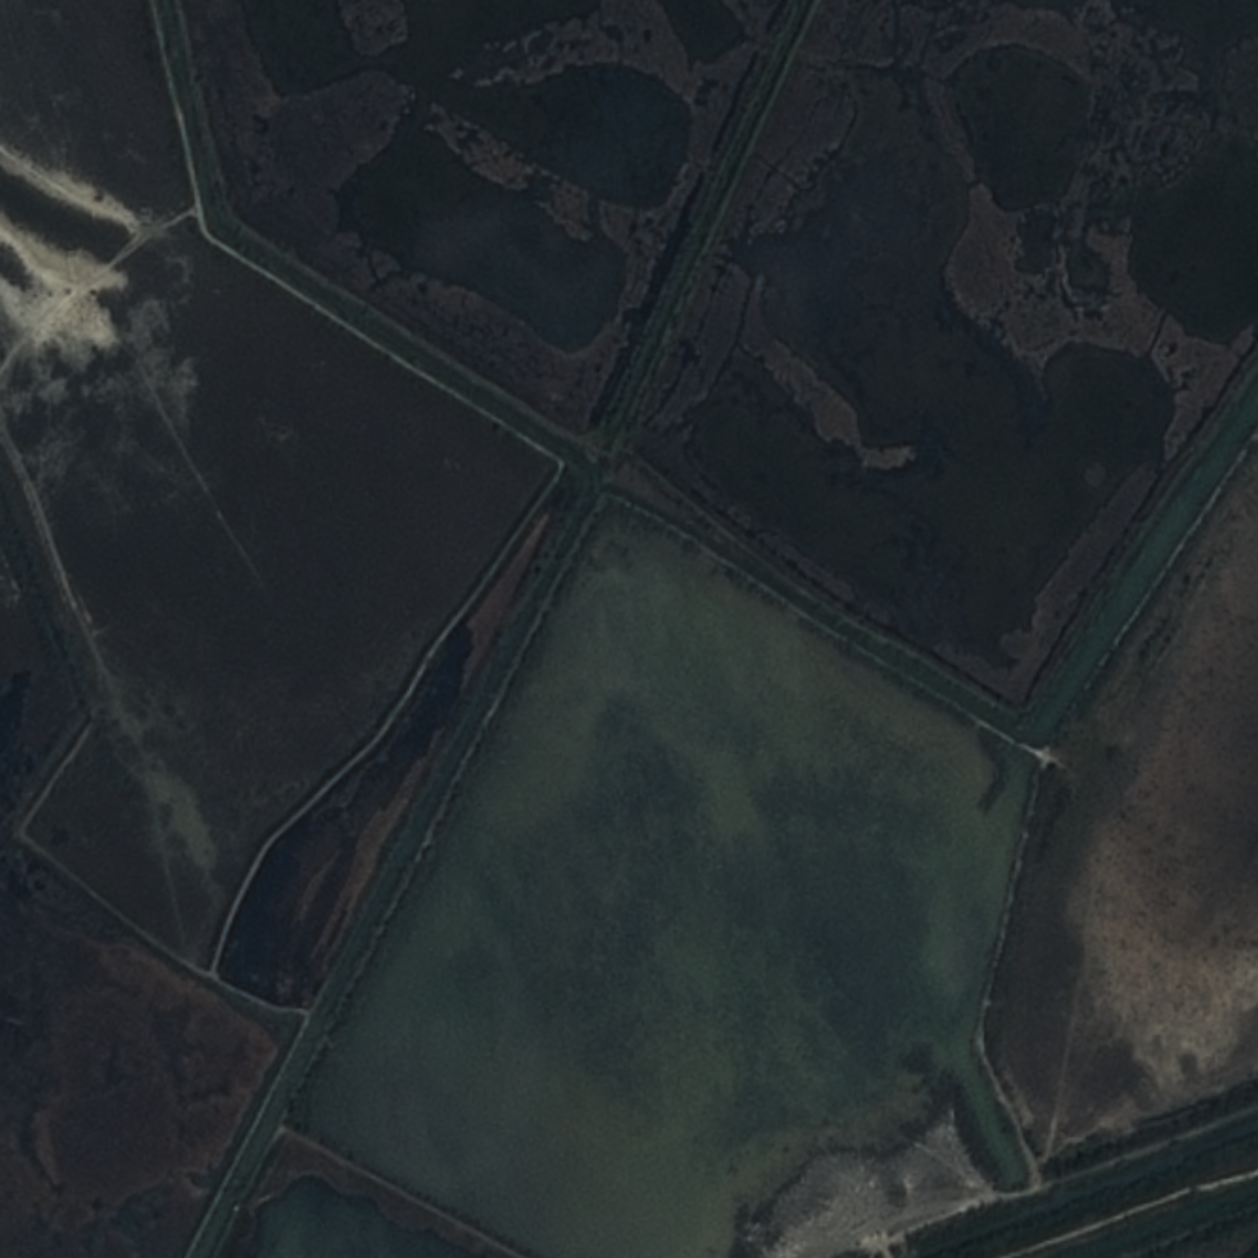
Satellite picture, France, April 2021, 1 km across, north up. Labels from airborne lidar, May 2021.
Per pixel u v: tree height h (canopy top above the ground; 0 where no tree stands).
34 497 0
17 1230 0
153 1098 0
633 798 0
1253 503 0
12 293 0
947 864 0
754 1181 0
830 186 0
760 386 0
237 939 0
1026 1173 0
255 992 0
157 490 0
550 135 0
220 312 0
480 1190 0
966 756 0
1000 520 0
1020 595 0
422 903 0
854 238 0
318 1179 0
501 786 0
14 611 0
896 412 0
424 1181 0
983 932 0
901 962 0
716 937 0
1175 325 0
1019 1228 6
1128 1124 0
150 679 0
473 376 0
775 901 0
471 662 0
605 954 0
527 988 0
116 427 0
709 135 0
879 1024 0
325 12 0
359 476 0
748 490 0
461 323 0
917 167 0
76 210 0
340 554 0
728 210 0
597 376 0
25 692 0
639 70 0
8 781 0
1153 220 0
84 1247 0
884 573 0
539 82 0
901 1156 0
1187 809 0
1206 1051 0
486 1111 0
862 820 0
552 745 0
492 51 0
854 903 0
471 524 0
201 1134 0
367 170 0
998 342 0
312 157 0
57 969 0
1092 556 0
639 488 0
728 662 0
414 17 0
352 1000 9
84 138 0
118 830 0
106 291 0
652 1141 0
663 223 0
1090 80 0
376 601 0
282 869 0
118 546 0
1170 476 0
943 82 0
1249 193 0
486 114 0
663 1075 0
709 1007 0
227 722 0
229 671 0
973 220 0
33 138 0
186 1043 0
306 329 0
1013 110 0
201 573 0
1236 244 0
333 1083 0
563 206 0
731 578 8
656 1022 0
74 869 0
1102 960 0
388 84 0
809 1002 0
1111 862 0
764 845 0
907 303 0
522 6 0
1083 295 0
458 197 0
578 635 0
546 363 0
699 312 0
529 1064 0
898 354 0
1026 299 0
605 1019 0
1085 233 0
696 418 0
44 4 0
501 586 0
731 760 0
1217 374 0
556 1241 0
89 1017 0
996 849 0
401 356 0
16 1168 0
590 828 0
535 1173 0
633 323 0
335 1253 0
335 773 0
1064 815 0
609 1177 0
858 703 0
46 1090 0
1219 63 0
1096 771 0
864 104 0
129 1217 0
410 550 0
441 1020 0
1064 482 0
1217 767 0
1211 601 0
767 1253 0
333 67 0
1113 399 0
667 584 0
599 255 0
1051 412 0
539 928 0
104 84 0
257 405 0
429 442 0
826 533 0
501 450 0
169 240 0
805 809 0
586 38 0
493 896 0
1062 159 0
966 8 0
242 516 0
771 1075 0
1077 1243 0
